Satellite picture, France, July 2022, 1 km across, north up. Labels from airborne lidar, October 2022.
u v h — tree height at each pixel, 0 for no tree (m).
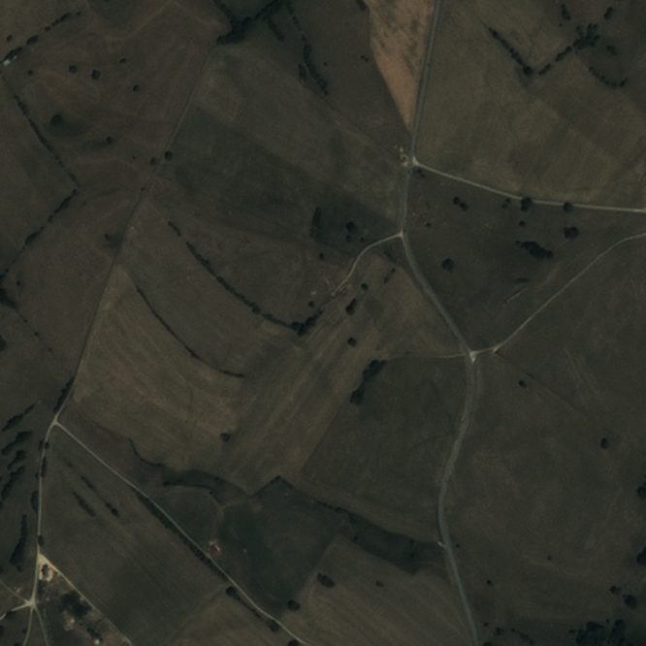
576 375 0
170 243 0
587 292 0
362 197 0
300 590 0
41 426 0
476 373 0
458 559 0
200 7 0
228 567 0
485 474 0
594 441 0
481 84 0
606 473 0
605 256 0
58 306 0
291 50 0
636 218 0
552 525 0
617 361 0
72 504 0
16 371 0
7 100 0
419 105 0
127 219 0
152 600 0
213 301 0
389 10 0
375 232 0
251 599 0
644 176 0
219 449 0
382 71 0
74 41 0
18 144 0
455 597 0
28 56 0
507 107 0
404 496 0
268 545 0
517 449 0
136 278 0
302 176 0
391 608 0
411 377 0
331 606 0
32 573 0
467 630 0
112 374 0
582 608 0
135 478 0
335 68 0
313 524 0
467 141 0
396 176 0
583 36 6
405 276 0
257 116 0
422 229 0
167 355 0
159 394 0
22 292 0
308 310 0
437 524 0
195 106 0
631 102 0
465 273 0
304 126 0
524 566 0
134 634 0
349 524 0
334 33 0
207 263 6
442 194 0
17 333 0
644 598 0
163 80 0
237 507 0
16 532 0
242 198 0
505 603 0
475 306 0
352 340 12
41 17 0
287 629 0
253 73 0
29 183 0
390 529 0
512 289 0
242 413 0
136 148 0
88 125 0
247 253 0
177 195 0
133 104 0
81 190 0
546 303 0
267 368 0
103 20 0
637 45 0
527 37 0
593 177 0
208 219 0
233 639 0
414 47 0
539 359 0
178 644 0
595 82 0
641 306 0
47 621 0
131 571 0
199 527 0
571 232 15
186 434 0
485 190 0
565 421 0
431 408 0
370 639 0
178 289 0
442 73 0
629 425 0
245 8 0
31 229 0
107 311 0
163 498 0
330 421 0
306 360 0
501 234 0
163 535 0
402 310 0
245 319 0
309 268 0
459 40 0
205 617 0
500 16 0
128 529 0
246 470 0
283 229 0
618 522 0
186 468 0
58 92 0
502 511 0
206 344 0
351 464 0
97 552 0
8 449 6
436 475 0
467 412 0
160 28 0
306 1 0
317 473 0
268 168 0
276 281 0
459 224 0
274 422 0
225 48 0
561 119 0
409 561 0
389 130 0
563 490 0
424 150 0
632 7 0
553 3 0
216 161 0
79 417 0
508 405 0
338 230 0
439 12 0
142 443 0
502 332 0
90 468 0
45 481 0
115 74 0
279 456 0
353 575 0
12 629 0
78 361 0
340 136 0
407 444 0
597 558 0
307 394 0
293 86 0
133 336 0
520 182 0
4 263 0
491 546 0
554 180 0
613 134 0
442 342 0
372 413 0
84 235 0
